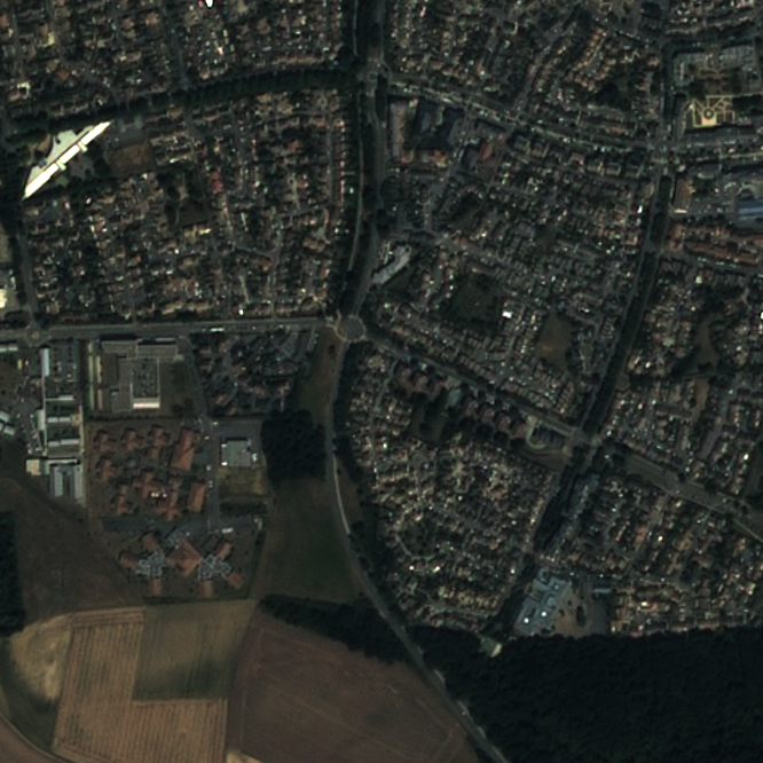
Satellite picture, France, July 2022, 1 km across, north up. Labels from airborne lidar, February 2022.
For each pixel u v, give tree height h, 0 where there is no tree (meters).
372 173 9
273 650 0
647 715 24
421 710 0
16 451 0
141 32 6
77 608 0
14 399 0
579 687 20
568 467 8
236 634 0
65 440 0
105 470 0
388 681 0
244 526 0
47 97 8
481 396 11
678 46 10
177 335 0
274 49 0
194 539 0
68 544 0
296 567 0
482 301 0
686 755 21
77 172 0
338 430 13
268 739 0
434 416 16
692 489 0
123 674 0
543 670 16
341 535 0
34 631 0
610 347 6
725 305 8
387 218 12
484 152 0
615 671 17
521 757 13
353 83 12
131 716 0
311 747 0
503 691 20
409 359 0
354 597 0
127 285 0
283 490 0
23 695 0
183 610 0
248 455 0
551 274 0
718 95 0
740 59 0
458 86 7
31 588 0
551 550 0
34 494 0
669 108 12
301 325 0
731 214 0
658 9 13
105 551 0
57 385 0
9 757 0
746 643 21
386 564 7
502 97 6
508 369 0
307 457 11
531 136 7
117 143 0
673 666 24
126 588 0
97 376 0
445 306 7
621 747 25
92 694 0
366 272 0
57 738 0
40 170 0
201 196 0
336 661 0
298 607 9
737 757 35
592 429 11
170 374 0
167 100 17
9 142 10
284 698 0
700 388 0
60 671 0
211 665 0
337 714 0
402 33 0
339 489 0
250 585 0
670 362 0
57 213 0
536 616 0
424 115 0
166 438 0
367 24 13
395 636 13
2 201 12
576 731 23
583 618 10
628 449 15
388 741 0
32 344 0
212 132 0
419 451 0
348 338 0
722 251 0
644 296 11
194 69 9
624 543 5
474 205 8
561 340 0
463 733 0
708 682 24
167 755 0
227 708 0
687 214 0
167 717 0
